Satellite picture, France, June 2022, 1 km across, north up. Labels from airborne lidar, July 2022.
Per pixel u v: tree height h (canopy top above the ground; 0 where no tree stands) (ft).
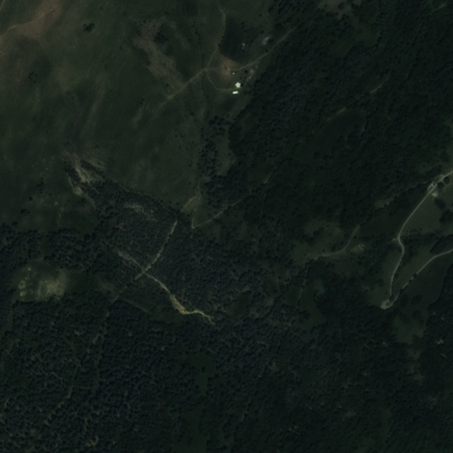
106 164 0
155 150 0
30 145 0
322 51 48
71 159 0
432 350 55
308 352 64
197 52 0
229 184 54
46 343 36
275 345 48
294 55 71
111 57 0
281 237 28
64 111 0
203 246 44
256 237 34
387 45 61
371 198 45
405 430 50
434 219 0
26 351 115
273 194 76
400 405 64
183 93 0
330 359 55
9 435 83
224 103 0
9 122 0
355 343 58
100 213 43
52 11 0
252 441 70
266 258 35
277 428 75
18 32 0
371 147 88
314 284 59
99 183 31
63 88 0
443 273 0
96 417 115
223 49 0
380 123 22
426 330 25
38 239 49
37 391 51
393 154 59
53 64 0
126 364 83
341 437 33
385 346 23
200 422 35
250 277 44
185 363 29
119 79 0
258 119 21
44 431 95
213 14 0
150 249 41
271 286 0
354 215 81
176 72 0
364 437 24
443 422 60
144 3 0
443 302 70
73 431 92
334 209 40
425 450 35
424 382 26
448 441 51
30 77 27
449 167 0
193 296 31
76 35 0
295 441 80
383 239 28
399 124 71
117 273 31
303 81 53
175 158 0
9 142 0
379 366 76
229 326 49
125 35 0
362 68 66
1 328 51
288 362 44
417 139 60
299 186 52
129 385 99
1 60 0
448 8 21
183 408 54
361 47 23
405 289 26
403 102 59
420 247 21
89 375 78
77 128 0
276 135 51
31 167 0
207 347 58
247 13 0
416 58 34
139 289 57
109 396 112
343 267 0
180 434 41
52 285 0
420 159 65
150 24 0
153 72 0
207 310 26
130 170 0
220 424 45
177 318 0
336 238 0
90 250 119
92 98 0
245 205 30
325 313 62
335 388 48
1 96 0
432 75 62
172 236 36
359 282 26
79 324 74
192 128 0
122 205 35
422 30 70
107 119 0
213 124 51
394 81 44
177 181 0
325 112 66
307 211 38
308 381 73
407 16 79
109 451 92
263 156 41
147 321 62
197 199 0
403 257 22
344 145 48
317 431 26
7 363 24
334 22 36
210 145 33
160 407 45
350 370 60
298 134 36
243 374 58
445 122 25
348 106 34
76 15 0
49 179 0
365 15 61
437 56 49
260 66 0
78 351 30
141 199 27
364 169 75
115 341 41
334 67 50
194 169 0
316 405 71
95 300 38
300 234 19
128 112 0
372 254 42
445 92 65
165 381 64
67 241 98
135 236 48
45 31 0
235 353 69
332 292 74
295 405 74
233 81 0
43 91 0
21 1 0
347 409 67
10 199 0
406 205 46
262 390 43
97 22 0
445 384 33
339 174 33
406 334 0
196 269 35
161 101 0
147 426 74
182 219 34
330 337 54
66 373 78
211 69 0
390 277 0
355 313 63
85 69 0
